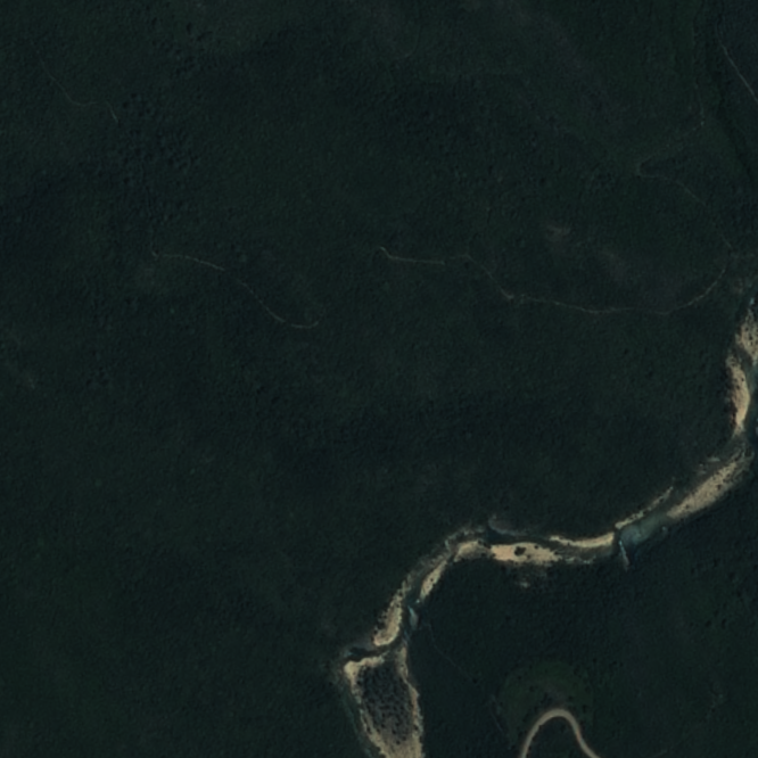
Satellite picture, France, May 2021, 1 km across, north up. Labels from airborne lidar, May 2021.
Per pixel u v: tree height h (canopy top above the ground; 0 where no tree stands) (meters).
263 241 6
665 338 8
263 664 7
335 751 7
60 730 9
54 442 6
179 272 10
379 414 14
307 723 8
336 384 8
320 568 9
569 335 6
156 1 8
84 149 9
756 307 17
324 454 13
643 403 8
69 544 7
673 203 8
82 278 9
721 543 11
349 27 8
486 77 8
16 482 11
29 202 11
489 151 8
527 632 8
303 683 9
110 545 7
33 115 12
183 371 11
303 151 6
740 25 7
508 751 8
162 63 7
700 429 6
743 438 0
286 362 12
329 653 11
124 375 7
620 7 6
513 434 11
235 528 6
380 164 6
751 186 6
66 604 6
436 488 6
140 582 11
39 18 6
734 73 8
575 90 6
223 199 6
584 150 9
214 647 7
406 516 7
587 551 0
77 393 9
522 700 0
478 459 9
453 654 6
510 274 6
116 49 7
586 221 6
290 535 7
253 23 6
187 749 7
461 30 11
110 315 12
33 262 8
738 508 8
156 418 9
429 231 9
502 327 9
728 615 6
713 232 7
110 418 7
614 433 7
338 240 10
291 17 7
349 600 10
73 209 10
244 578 8
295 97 8
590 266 7
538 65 6
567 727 10
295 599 9
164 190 9
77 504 8
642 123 8
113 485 7
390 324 7
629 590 9
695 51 8
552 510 8
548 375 9
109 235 14
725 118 15
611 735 7
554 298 7
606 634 8
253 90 8
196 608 12
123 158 8
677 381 6
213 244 7
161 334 9
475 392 8
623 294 9
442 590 10
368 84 13
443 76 8
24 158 9
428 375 7
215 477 9
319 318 10
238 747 10
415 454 7
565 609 10
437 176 7
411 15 9
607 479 8
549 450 9
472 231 6
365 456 9
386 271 9
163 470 8
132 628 8
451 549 0
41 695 6
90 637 6
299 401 11
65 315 10
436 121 12
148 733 7
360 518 11
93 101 6
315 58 10
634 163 6
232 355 13
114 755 6
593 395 9
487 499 11
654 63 11
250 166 6
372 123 8
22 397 6
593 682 9
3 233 10
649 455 10
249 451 7
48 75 6
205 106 9
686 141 8
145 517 8
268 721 7
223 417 13
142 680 6
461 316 8
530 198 8
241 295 10
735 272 8
